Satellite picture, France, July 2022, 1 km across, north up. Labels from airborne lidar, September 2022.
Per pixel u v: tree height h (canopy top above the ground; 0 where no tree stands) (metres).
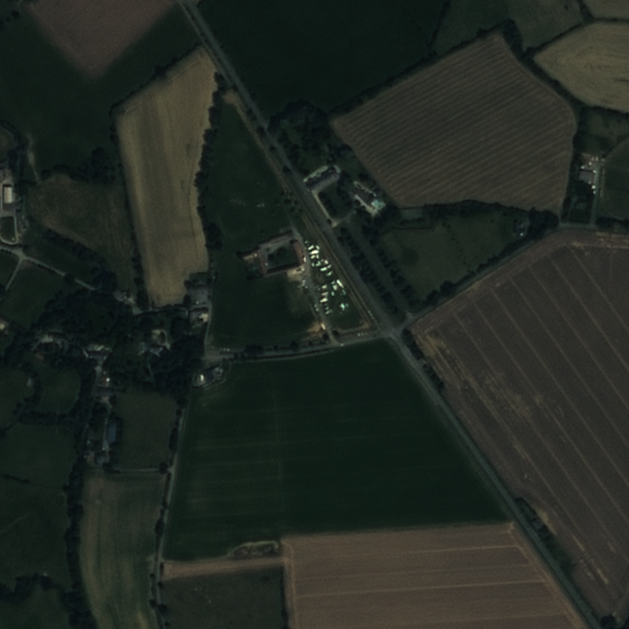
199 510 0
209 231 14
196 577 0
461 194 0
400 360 0
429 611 0
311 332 0
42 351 8
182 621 0
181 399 18
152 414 0
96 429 7
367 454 0
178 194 0
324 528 0
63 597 11
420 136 0
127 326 18
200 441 0
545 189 0
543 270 0
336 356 0
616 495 0
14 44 0
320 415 0
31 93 0
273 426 0
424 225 0
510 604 0
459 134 0
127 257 0
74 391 0
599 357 0
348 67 0
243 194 0
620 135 0
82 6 0
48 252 0
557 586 0
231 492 0
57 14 0
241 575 0
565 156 0
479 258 0
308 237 0
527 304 0
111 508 0
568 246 0
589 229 0
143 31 0
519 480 0
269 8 0
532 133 0
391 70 0
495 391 0
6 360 15
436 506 0
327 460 0
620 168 0
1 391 0
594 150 0
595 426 0
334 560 0
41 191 0
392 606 0
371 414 0
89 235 0
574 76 0
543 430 0
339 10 0
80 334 14
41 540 0
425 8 0
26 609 0
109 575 0
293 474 0
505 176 0
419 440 0
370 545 0
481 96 0
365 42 0
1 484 0
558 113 0
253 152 0
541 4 0
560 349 0
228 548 0
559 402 0
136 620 0
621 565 0
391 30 0
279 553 0
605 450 0
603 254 0
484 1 0
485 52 0
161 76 20
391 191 0
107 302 22
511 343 0
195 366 26
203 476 0
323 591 0
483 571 0
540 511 0
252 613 0
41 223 0
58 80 0
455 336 0
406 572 0
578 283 0
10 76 0
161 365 21
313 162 0
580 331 0
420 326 0
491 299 0
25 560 0
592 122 0
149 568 0
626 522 0
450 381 0
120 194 0
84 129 0
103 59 0
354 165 14
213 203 0
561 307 0
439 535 0
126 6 0
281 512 0
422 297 0
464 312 0
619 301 0
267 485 0
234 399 0
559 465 0
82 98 0
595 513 0
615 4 0
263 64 0
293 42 0
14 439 0
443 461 0
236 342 0
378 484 0
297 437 0
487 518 0
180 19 0
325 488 0
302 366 0
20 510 0
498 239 0
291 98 0
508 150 0
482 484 0
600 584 0
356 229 0
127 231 0
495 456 0
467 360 0
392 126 0
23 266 0
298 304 0
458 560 0
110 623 0
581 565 0
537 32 0
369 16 0
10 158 20
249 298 0
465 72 0
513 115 0
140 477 0
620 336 0
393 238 0
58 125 0
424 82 0
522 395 0
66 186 0
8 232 0
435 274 0
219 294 0
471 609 0
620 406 0
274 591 0
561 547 0
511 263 0
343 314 0
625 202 0
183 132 0
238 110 0
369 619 0
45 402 0
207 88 0
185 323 13
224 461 0
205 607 0
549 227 20
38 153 0
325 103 0
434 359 0
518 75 0
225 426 0
